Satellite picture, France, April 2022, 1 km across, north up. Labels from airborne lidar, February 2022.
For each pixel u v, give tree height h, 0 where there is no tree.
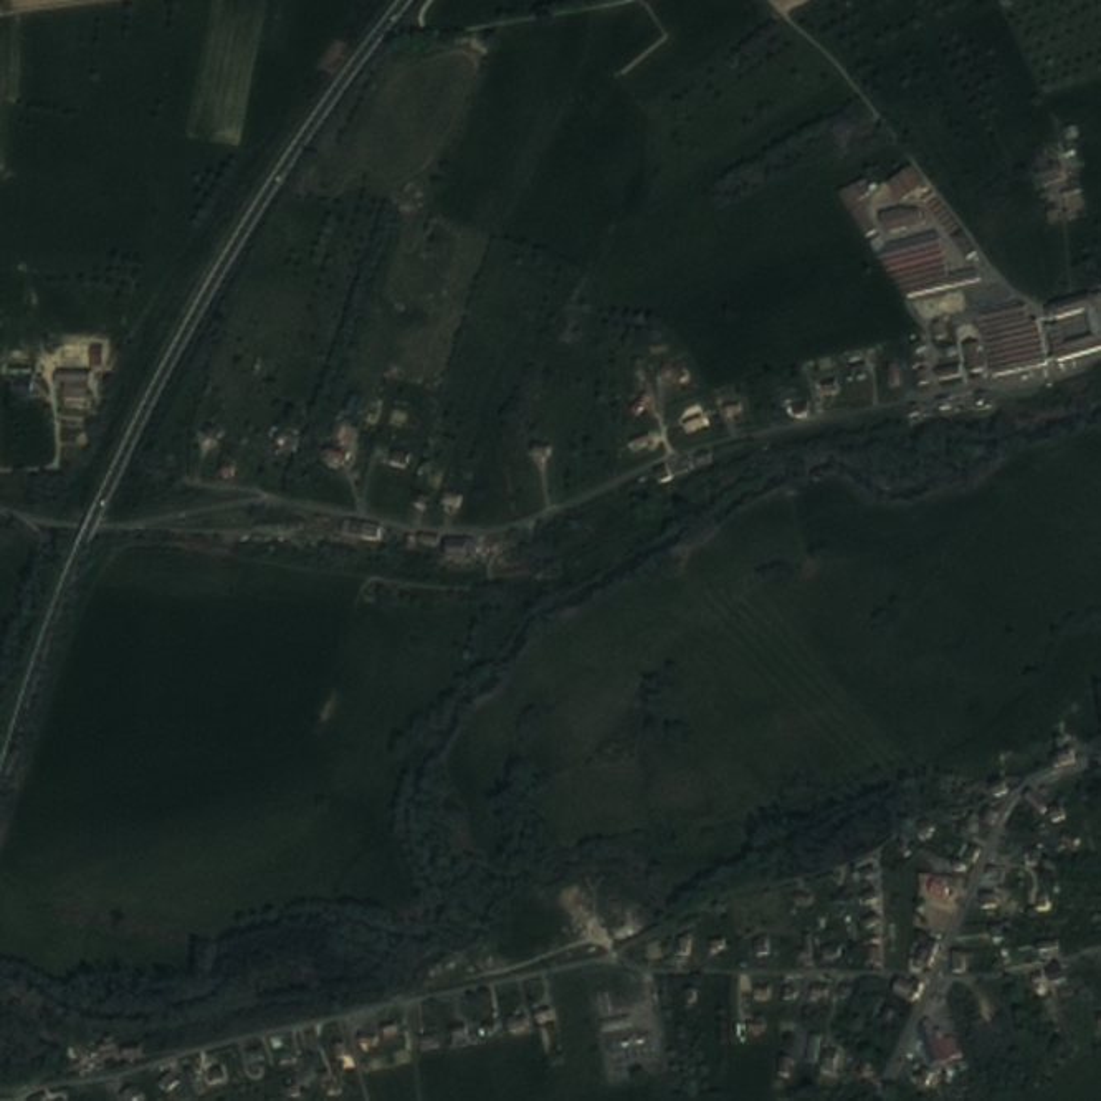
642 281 0
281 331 0
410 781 12
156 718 0
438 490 0
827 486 0
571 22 0
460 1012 0
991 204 0
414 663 0
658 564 20
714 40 0
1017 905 0
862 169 0
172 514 0
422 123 0
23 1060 21
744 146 0
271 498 0
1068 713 0
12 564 0
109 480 0
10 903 0
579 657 0
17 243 0
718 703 0
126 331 0
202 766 0
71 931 0
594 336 0
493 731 0
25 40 0
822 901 0
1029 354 0
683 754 0
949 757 0
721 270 0
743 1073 0
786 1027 0
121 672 0
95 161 0
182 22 0
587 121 0
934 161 0
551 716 0
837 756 0
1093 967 0
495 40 15
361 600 0
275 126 0
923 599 0
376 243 8
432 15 0
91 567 10
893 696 0
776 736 0
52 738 0
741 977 0
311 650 0
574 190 0
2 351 0
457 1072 0
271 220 0
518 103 0
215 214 0
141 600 0
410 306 0
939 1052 0
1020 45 0
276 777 0
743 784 0
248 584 0
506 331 0
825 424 0
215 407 0
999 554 0
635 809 0
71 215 0
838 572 0
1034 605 0
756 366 0
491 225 0
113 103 0
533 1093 0
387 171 0
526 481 0
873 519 0
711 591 0
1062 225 0
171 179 0
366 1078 0
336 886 0
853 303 0
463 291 0
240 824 0
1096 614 5
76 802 0
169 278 0
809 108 0
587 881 0
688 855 0
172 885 0
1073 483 0
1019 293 0
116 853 0
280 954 22
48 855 0
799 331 0
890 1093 14
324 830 0
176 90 0
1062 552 0
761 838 28
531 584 0
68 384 0
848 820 8
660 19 0
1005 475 0
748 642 0
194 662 0
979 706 0
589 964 0
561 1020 0
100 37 0
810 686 0
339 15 0
